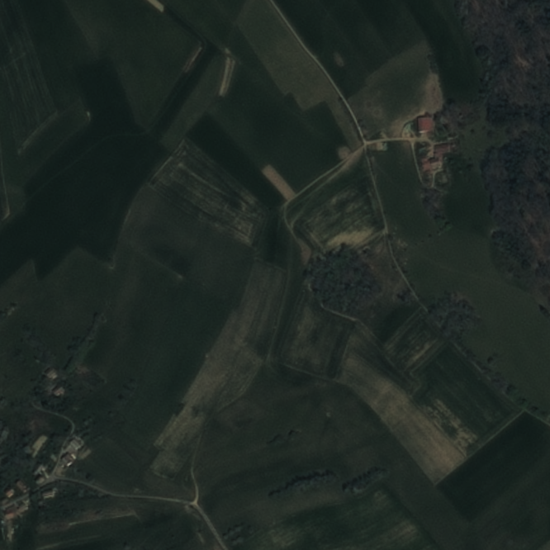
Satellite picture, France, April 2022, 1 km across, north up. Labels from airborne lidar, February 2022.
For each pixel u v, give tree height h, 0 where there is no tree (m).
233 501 0
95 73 0
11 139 0
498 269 0
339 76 0
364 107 0
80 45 0
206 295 0
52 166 0
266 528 0
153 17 0
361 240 0
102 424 0
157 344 0
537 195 29
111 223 0
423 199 0
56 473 0
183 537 0
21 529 0
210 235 0
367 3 0
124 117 0
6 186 0
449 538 0
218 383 0
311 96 0
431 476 0
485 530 0
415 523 0
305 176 0
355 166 0
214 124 0
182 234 0
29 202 0
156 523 0
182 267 0
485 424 0
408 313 0
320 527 0
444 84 0
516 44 27
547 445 0
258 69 0
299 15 0
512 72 32
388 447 0
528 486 0
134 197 0
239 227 0
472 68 0
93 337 11
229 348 0
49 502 0
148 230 0
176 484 0
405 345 0
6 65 0
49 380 11
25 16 0
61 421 0
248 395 0
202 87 0
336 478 14
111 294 0
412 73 0
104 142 0
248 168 0
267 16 0
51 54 0
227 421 0
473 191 0
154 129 0
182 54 0
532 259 24
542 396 0
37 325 0
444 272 0
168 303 0
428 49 0
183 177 0
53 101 0
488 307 0
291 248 0
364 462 0
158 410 0
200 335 0
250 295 0
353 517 0
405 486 0
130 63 0
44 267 0
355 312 18
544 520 0
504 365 0
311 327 0
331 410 0
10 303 0
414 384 0
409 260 0
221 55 0
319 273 21
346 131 0
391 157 0
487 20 22
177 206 0
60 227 0
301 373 0
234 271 0
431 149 0
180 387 0
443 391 0
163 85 0
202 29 0
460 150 0
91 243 0
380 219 0
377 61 0
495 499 0
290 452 0
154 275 0
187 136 0
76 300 0
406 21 0
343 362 0
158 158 0
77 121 0
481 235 0
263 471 0
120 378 0
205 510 0
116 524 0
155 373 0
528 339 0
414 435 0
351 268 23
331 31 0
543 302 0
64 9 0
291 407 0
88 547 0
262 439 0
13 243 0
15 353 0
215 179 0
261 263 0
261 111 0
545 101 24
